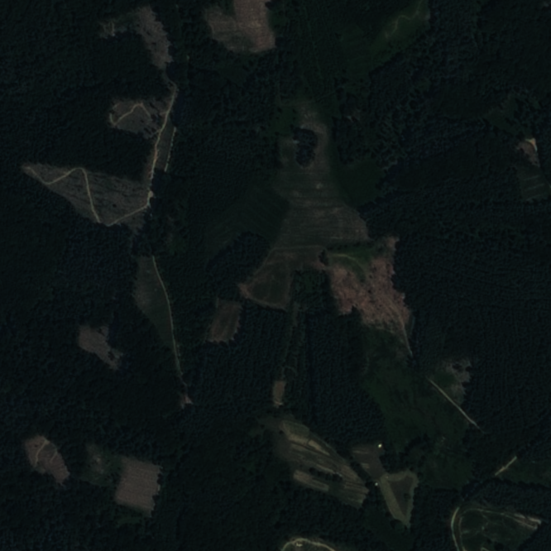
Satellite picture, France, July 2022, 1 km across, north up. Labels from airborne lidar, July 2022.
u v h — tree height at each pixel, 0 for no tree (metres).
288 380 6
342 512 18
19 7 10
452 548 27
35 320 15
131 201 0
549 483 0
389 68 27
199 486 24
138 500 0
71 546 22
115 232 26
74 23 13
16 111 21
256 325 26
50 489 20
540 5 27
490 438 18
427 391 0
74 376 19
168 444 20
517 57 31
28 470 23
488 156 32
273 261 0
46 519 25
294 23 9
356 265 0
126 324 27
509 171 25
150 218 23
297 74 26
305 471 0
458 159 33
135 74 28
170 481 17
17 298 34
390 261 0
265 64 10
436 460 0
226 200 8
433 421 0
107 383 32
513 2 24
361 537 18
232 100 24
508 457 8
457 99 34
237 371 28
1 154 19
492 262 21
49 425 23
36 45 22
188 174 7
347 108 24
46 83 14
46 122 22
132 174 28
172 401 22
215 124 21
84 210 0
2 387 26
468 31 28
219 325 0
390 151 28
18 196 30
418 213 18
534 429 20
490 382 21
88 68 16
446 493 15
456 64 32
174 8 23
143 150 27
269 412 18
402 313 0
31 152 18
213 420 22
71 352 25
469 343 20
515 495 26
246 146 9
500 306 17
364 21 9
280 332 30
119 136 24
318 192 0
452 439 0
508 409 20
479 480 20
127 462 0
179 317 7
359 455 0
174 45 27
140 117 0
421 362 30
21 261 27
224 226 0
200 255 9
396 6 8
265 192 0
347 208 0
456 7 26
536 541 23
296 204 0
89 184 0
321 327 31
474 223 22
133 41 24
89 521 20
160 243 19
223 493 25
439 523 18
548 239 24
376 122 14
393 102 28
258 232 0
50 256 29
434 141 26
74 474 19
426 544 28
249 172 6
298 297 7
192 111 29
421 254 21
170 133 0
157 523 10
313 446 0
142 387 31
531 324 26
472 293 25
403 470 15
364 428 31
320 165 0
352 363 25
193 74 27
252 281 0
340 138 27
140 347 31
